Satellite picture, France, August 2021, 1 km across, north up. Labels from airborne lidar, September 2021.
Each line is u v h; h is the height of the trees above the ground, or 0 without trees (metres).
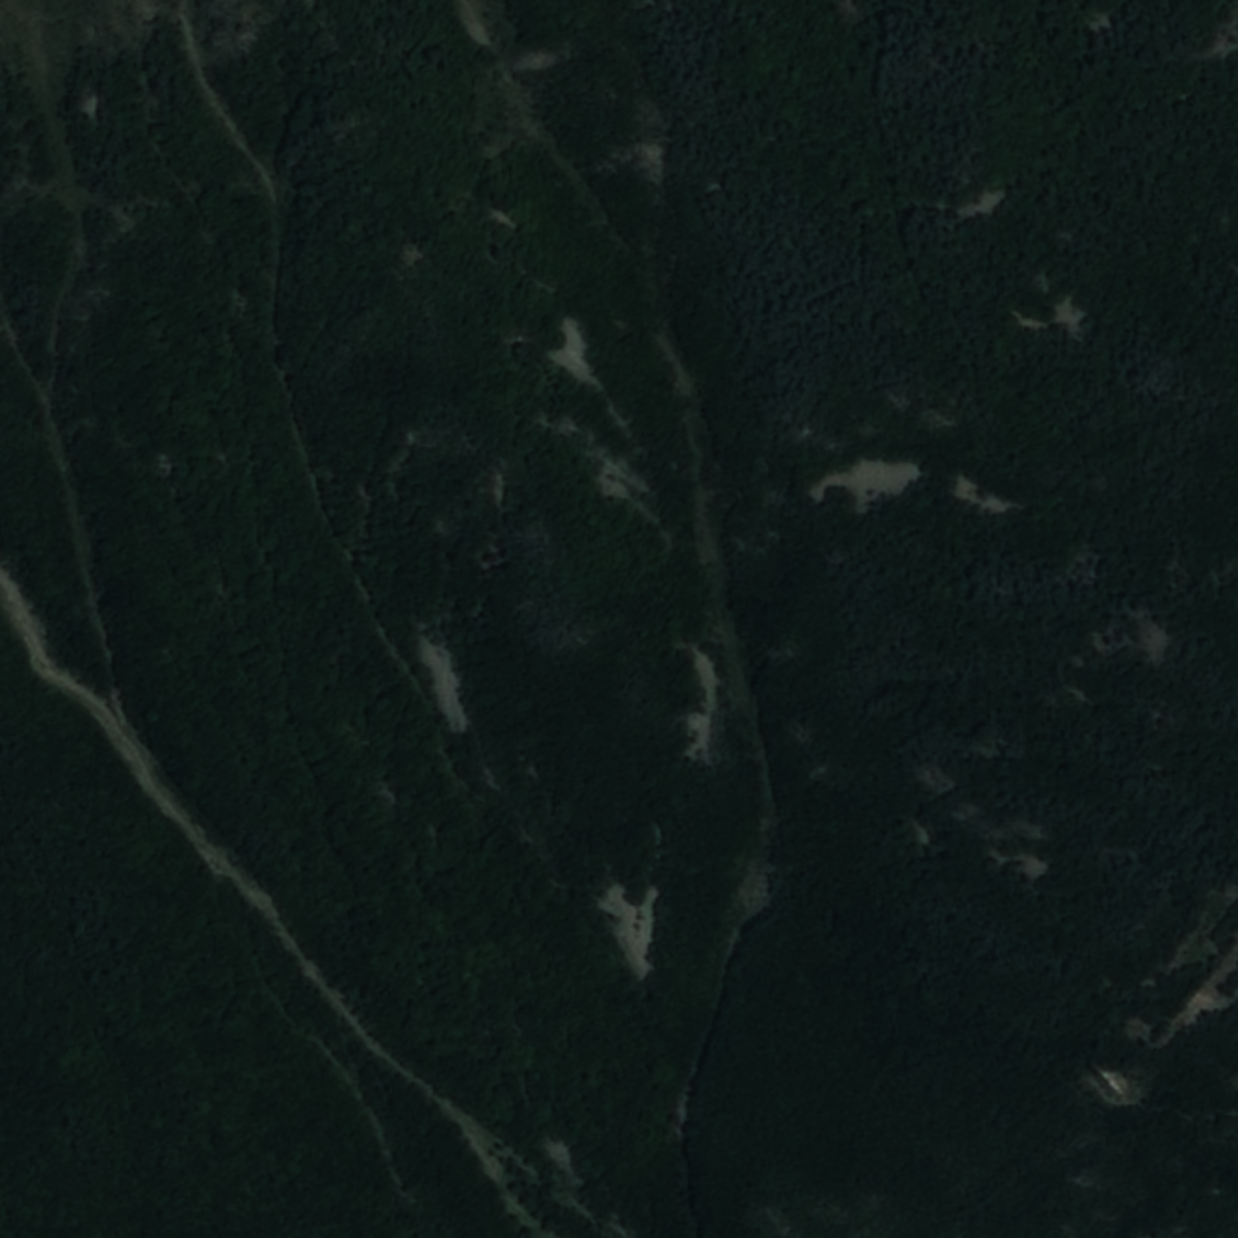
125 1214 18
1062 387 14
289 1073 14
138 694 18
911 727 15
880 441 14
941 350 12
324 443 17
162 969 28
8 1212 11
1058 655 14
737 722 7
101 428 8
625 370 14
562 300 11
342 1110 20
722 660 8
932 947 18
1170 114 21
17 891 14
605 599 20
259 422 18
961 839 15
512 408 21
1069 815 14
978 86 17
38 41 0
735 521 10
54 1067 26
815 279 13
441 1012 23
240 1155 21
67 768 21
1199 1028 14
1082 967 22
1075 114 12
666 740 14
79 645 25
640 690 11
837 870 17
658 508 11
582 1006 21
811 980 12
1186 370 14
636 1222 14
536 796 12
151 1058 23
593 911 14
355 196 10
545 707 18
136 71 15
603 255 13
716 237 9
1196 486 14
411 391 20
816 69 12
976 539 16
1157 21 13
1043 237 12
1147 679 11
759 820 8
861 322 17
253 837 21
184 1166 20
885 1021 16
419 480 17
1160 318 12
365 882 23
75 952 15
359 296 15
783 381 19
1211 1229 6
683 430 9
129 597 16
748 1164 14
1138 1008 13
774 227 17
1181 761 16
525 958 22
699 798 15
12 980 20
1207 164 14
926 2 19
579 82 9
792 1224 6
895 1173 13
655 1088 20
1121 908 14
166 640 14
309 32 10
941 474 11
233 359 10
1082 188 14
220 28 11
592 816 14
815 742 6
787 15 12
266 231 21
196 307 13
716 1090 14
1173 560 18
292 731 25
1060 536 17
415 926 25
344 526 24
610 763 14
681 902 21
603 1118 23
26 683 19
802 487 19
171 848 15
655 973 8
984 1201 13
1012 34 9
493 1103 25
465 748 12
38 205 6
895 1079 15
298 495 18
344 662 17
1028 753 22
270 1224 21
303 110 19
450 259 15
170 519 20
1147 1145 16
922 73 24
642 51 6
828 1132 15
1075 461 9
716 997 14
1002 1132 13
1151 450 12
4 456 15
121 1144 19
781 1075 14
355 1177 27
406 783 18
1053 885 16
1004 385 14
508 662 17
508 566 13
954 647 15
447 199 16
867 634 19
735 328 11
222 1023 16
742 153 26
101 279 6
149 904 25
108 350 13
